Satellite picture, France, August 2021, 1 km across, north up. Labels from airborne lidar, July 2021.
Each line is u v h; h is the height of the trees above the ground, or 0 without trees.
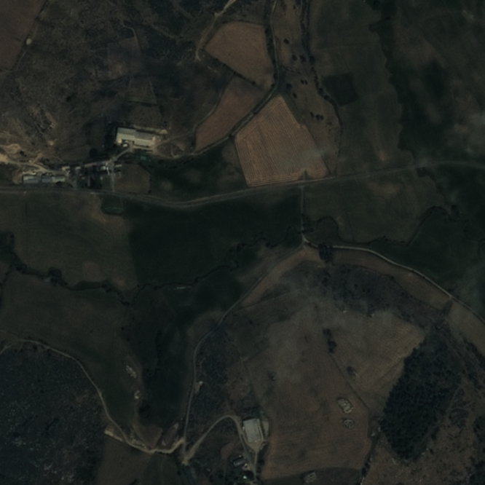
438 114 0
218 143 0
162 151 0
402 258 0
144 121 0
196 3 0
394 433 6
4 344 0
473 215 0
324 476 0
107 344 0
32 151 0
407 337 0
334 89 0
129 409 0
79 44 0
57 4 0
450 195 0
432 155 0
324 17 0
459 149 0
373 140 0
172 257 0
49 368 0
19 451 0
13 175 0
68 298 0
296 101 0
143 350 0
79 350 0
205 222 0
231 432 0
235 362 0
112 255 0
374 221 0
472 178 0
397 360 0
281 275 0
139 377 0
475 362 0
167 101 0
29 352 0
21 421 0
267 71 0
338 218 0
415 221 0
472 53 0
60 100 0
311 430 0
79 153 0
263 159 0
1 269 0
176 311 0
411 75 0
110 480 0
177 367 0
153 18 0
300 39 0
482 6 0
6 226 0
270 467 0
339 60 0
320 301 0
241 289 0
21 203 0
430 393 14
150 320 0
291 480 0
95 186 14
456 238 0
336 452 0
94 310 0
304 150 0
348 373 0
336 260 0
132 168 0
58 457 0
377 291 0
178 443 0
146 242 0
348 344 0
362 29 0
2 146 0
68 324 0
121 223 0
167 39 0
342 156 0
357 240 0
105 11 0
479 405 0
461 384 0
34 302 0
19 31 0
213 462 0
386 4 0
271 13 0
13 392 0
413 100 0
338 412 0
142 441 0
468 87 0
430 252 0
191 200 0
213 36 0
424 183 0
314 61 9
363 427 0
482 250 0
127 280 0
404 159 0
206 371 0
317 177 0
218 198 0
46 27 0
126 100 0
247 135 0
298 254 0
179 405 0
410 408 7
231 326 0
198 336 0
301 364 0
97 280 0
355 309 0
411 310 0
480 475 9
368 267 0
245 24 0
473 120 0
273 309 0
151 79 0
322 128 0
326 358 0
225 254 0
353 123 0
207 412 0
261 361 0
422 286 0
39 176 0
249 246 0
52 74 0
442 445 0
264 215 0
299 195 0
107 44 0
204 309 0
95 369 0
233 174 0
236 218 0
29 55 0
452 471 0
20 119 0
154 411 0
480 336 0
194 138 0
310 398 0
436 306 0
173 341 0
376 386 0
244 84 0
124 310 0
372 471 0
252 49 0
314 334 0
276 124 0
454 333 0
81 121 0
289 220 0
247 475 12
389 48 0
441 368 14
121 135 0
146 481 0
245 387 0
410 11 0
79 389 0
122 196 0
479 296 0
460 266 0
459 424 0
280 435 0
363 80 0
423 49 0
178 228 0
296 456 0
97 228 0
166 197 0
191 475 0
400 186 0
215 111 0
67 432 0
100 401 0
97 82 0
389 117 0
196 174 0
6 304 0
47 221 0
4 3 0
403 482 0
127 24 0
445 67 0
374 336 0
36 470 0
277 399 0
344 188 0
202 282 0
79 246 0
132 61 0
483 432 0
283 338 0
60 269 0
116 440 0
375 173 0
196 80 0
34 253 0
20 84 0
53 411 0
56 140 0
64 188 0
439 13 0
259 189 0
